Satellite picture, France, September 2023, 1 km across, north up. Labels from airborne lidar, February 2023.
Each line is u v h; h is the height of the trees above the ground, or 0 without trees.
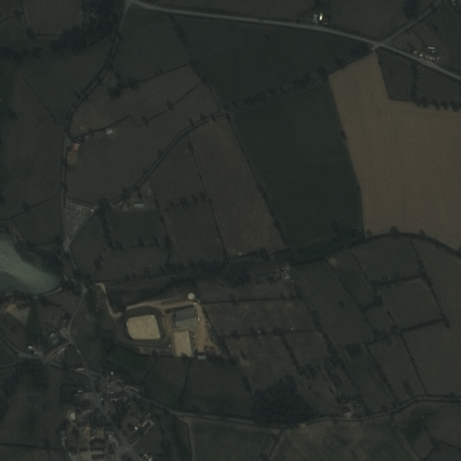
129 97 0
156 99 0
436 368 0
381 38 0
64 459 0
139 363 0
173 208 12
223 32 0
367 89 0
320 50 0
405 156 0
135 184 0
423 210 0
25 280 0
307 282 0
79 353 0
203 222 0
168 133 0
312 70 0
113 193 0
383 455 0
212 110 0
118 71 0
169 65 0
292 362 0
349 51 0
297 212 0
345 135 13
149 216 0
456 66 0
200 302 0
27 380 0
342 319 0
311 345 0
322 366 19
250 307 0
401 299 0
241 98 0
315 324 15
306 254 0
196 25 0
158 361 0
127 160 0
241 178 0
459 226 0
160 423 0
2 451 0
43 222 0
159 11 0
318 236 0
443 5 0
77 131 0
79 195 0
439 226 0
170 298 0
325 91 0
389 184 0
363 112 0
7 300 11
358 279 0
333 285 0
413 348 0
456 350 0
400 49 0
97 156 0
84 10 11
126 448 0
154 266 0
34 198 0
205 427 0
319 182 0
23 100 0
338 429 0
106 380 0
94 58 0
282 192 0
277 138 0
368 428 0
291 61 0
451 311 0
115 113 0
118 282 0
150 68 0
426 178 0
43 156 0
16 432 0
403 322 0
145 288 0
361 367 0
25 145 0
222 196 0
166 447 21
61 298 0
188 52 0
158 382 0
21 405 0
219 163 0
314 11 0
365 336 0
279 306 0
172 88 0
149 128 0
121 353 0
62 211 0
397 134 0
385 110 0
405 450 0
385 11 0
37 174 0
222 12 0
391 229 0
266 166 0
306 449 0
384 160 0
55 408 0
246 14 0
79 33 18
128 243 0
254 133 0
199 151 0
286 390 24
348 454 0
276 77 0
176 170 0
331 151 0
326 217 0
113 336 0
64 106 0
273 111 0
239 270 0
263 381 0
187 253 0
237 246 0
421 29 0
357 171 0
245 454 0
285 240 10
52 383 0
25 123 0
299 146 0
